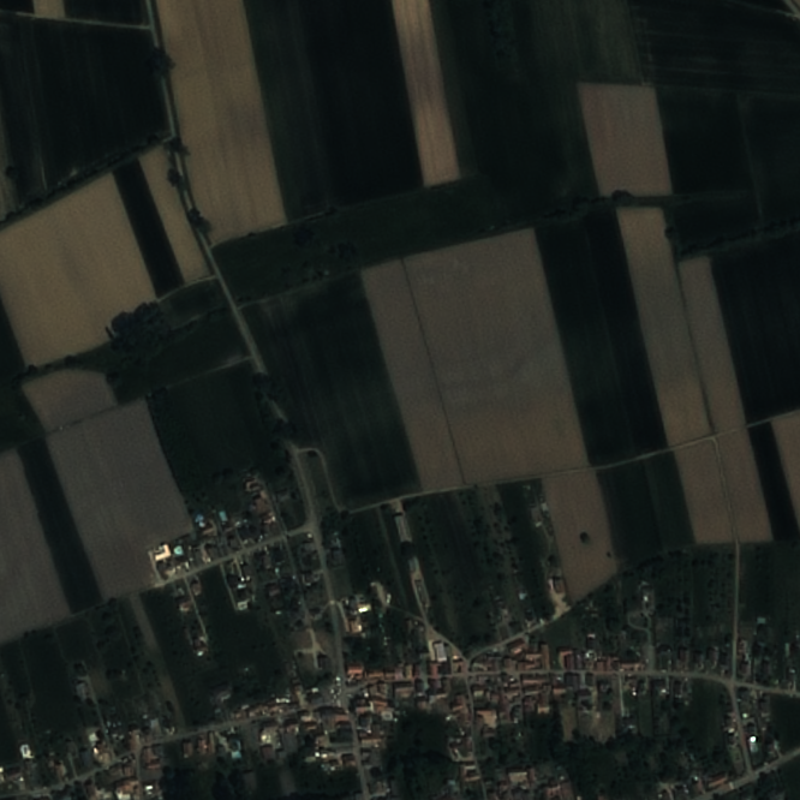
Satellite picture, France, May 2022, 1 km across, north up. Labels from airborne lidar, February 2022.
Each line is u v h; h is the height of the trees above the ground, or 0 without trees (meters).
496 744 13
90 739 0
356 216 0
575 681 0
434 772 17
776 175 0
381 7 0
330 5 0
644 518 0
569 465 0
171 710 11
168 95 0
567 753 18
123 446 0
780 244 0
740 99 0
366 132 0
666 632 0
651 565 12
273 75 0
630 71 0
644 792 0
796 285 0
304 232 0
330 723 0
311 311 0
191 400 0
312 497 0
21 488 0
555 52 0
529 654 0
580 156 0
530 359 0
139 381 0
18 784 0
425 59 0
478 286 0
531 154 0
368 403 0
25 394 0
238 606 0
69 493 0
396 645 0
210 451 0
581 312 0
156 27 0
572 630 0
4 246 0
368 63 0
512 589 0
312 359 0
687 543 0
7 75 0
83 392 0
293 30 0
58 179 0
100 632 0
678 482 0
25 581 0
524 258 0
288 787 0
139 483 0
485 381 0
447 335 0
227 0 0
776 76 0
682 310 0
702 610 0
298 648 0
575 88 0
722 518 0
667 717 0
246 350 0
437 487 0
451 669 0
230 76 0
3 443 0
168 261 0
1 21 0
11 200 0
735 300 0
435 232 0
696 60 0
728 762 7
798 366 0
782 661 0
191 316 0
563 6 0
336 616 0
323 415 0
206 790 0
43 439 0
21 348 0
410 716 0
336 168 0
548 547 0
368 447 0
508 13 12
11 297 0
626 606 6
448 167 0
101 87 0
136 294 0
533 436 0
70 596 0
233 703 0
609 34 0
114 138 0
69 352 0
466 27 0
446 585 0
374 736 0
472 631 0
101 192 0
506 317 0
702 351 0
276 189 0
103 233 0
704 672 0
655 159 0
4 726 0
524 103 0
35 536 0
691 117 0
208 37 0
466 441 0
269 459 0
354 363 0
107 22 0
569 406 0
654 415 0
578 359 0
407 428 0
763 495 0
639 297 0
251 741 0
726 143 0
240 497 0
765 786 12
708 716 0
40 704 0
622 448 0
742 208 0
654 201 0
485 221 0
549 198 0
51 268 0
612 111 0
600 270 0
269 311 0
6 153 0
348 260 26
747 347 0
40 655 0
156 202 0
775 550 0
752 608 0
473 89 0
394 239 0
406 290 0
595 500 0
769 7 0
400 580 0
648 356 0
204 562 0
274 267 0
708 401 0
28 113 0
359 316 0
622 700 0
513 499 0
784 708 0
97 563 0
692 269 0
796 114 0
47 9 0
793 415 0
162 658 0
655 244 0
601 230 0
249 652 0
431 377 0
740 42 0
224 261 0
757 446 0
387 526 0
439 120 0
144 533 0
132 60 0
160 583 0
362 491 0
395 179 0
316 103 0
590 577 0
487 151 0
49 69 0
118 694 0
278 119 0
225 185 0
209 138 0
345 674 0
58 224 0
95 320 0
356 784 0
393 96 0
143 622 0
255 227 0
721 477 0
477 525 9
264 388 19
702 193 0
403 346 0
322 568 0
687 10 0
